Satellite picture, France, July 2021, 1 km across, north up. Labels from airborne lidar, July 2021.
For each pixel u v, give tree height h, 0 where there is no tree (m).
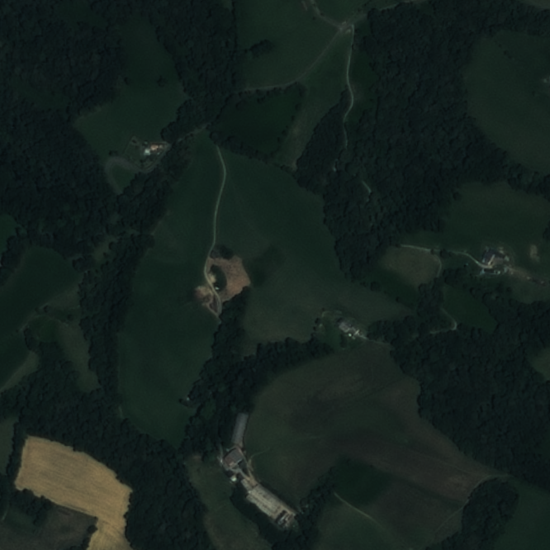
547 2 0
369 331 6
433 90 29
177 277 0
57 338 0
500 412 22
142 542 19
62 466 0
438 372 31
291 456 0
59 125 21
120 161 0
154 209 29
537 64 0
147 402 0
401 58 20
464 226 0
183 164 11
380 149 24
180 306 0
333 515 0
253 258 0
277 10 0
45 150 31
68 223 27
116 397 22
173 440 0
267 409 0
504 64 0
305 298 0
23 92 0
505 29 19
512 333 25
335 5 0
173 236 0
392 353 13
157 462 26
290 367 18
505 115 0
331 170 14
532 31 16
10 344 0
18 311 0
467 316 0
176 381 0
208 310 0
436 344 16
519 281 0
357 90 0
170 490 21
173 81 0
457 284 16
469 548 15
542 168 0
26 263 0
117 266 9
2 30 38
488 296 21
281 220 0
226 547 0
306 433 0
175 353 0
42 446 0
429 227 26
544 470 15
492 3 20
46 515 10
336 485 10
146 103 0
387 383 0
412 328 15
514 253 0
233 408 16
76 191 28
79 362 0
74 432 10
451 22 23
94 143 0
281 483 0
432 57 22
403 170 21
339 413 0
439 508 0
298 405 0
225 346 27
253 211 0
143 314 0
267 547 0
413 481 0
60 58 26
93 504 0
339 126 16
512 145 0
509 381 22
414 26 23
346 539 0
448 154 23
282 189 0
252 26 0
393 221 28
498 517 29
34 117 18
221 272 0
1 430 0
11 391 8
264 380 20
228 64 21
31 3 15
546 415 18
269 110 0
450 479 0
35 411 16
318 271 0
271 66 0
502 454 20
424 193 25
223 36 27
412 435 0
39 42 26
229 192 0
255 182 0
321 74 0
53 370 10
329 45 0
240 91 20
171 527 15
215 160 0
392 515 0
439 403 19
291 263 0
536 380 18
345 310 0
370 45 23
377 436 0
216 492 0
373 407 0
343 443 0
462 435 21
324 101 0
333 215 22
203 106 16
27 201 33
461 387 27
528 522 0
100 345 28
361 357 0
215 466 0
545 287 0
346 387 0
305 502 12
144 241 23
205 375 18
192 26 16
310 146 12
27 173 22
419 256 0
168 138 23
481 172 25
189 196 0
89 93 23
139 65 0
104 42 18
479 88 0
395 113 20
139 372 0
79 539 0
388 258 0
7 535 0
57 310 0
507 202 0
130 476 16
